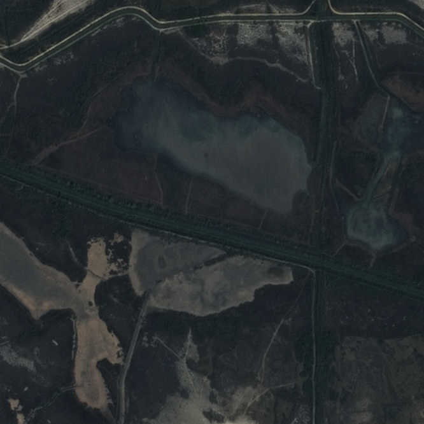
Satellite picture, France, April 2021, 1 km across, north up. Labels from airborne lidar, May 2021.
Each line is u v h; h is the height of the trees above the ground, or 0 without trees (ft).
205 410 0
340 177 0
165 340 0
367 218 0
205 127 0
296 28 0
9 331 0
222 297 0
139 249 0
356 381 0
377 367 0
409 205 0
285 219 0
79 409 0
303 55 0
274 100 0
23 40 0
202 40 0
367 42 0
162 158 0
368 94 0
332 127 0
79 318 0
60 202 26
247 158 0
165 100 0
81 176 0
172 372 0
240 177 0
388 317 0
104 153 0
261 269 0
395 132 0
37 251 0
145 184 0
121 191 0
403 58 0
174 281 0
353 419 0
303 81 0
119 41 0
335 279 23
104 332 0
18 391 0
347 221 0
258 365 0
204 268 0
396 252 0
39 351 0
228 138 0
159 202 0
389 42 0
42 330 0
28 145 0
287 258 21
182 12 19
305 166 0
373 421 0
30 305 0
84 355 0
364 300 0
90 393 0
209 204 0
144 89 0
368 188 0
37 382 0
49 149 0
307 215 0
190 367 0
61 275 0
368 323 0
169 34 0
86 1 0
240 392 0
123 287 0
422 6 0
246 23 0
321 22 19
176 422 0
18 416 0
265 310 0
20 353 0
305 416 0
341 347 0
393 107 0
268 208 0
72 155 0
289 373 0
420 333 0
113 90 0
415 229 0
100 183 0
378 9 0
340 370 0
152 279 0
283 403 0
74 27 0
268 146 0
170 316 0
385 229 0
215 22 0
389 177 0
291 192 0
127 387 0
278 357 0
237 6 0
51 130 0
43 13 0
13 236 0
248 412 0
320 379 27
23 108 0
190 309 0
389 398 0
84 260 0
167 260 0
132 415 0
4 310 0
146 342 0
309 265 19
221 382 0
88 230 0
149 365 0
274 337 0
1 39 0
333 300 0
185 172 0
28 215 0
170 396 0
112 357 0
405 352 0
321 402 20
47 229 0
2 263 0
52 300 0
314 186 0
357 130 0
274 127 0
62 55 0
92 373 0
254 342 0
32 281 0
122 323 0
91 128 0
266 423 0
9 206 0
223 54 0
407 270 0
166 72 0
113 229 0
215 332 0
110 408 0
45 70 0
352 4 0
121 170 0
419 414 0
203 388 0
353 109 0
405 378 0
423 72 0
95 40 0
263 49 0
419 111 0
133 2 0
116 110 0
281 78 0
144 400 0
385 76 0
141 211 18
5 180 20
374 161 23
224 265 0
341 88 0
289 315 0
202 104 0
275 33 0
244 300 0
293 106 0
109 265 0
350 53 0
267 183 0
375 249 0
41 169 23
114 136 0
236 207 0
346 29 0
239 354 0
